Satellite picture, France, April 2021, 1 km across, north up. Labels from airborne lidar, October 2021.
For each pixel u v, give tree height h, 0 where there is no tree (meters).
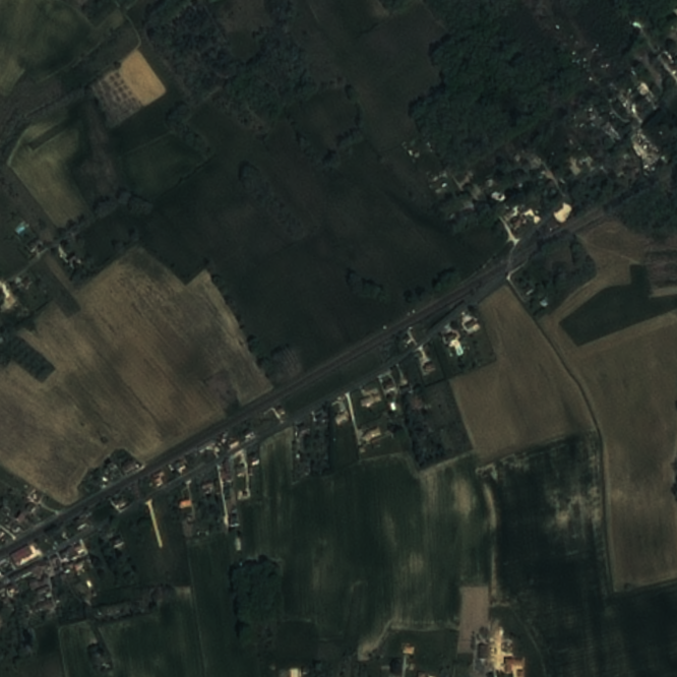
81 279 8
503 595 0
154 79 0
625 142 19
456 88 23
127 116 9
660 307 0
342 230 0
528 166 14
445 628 0
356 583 0
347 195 0
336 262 0
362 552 0
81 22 0
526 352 0
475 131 24
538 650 0
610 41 7
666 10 22
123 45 0
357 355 0
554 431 0
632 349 0
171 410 0
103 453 0
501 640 0
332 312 0
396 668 16
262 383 0
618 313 0
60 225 0
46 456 0
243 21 0
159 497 0
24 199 0
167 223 0
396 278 0
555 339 0
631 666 0
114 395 0
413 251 0
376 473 0
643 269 0
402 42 0
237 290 0
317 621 0
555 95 19
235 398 0
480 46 26
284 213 18
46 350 0
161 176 0
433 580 0
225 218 0
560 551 0
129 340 0
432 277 0
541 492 0
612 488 0
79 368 0
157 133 0
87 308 0
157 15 21
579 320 0
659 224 15
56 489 0
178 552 0
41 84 0
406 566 0
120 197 14
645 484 0
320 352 0
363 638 0
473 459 0
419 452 13
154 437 0
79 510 0
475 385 0
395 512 0
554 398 0
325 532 0
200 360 0
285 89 20
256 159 0
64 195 0
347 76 0
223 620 0
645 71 14
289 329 0
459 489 0
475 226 15
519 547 0
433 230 0
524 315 0
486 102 18
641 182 10
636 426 0
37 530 0
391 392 7
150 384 0
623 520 0
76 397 0
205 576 0
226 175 0
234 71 19
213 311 0
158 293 0
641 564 0
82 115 0
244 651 0
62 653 0
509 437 0
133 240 14
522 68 29
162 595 12
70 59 0
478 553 0
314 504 0
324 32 0
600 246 0
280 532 0
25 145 0
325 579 0
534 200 23
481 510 0
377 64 0
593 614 0
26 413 0
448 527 0
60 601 12
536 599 0
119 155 0
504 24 7
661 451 0
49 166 0
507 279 0
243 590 20
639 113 11
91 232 0
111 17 0
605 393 0
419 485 0
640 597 0
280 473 0
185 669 0
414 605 0
